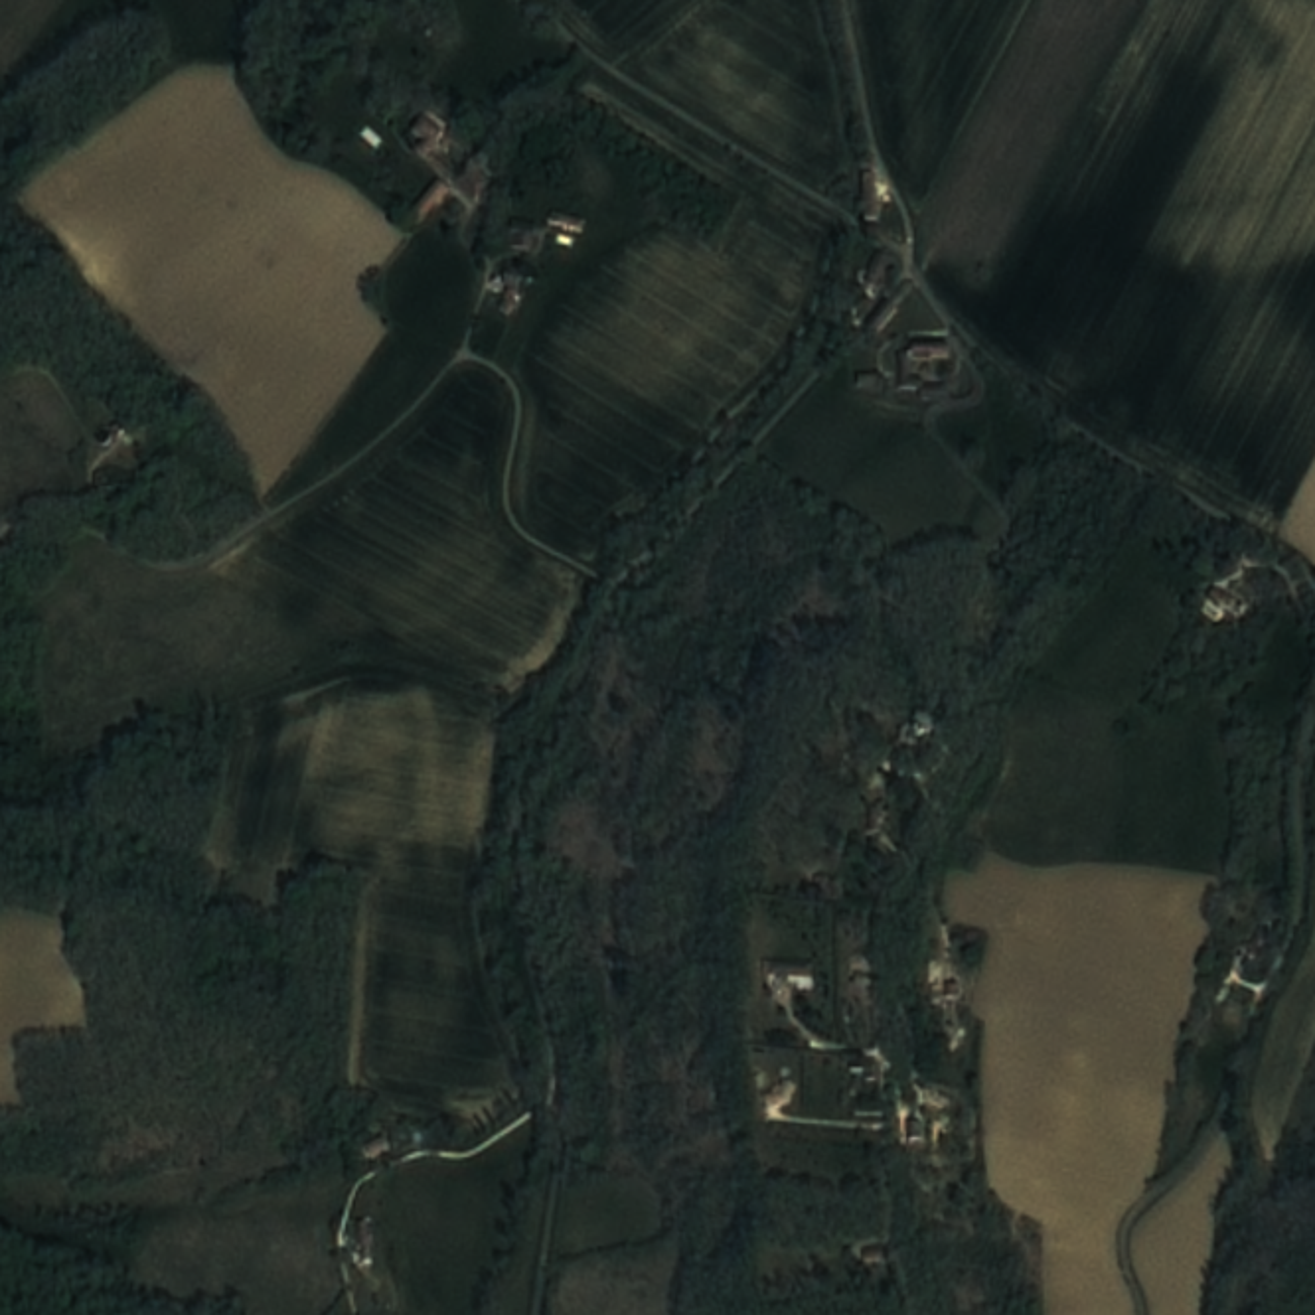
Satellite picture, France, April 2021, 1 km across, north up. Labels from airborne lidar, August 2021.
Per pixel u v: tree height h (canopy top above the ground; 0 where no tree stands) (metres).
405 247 0
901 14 0
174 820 23
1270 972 16
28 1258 23
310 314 0
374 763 0
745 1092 15
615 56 0
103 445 0
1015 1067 0
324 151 14
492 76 0
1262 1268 16
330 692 0
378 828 0
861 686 14
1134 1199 0
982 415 0
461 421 0
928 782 12
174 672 0
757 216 0
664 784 8
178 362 0
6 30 0
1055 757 0
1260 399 0
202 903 14
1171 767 0
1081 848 0
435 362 0
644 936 11
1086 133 0
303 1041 18
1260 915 14
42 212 0
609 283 0
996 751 16
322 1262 0
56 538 22
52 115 25
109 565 0
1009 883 0
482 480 0
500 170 16
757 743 12
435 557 0
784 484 10
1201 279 0
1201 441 0
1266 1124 0
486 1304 17
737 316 0
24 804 8
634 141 13
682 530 10
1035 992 0
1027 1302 13
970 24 0
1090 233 0
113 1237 13
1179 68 0
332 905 22
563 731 11
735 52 0
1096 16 0
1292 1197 15
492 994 0
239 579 0
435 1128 11
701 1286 14
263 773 0
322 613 0
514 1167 0
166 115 0
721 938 17
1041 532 12
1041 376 0
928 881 22
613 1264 0
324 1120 7
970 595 18
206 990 22
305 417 0
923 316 0
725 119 0
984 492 0
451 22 23
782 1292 13
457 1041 0
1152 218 0
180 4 0
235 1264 0
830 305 15
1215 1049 0
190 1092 16
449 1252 0
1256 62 0
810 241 0
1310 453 0
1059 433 20
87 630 0
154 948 18
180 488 19
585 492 0
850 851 11
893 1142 14
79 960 19
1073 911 0
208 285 0
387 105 23
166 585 0
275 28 24
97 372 15
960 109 0
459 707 0
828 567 8
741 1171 10
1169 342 0
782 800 17
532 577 0
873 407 0
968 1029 8
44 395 0
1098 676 0
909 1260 21
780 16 0
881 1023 10
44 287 20
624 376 0
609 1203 0
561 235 0
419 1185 0
